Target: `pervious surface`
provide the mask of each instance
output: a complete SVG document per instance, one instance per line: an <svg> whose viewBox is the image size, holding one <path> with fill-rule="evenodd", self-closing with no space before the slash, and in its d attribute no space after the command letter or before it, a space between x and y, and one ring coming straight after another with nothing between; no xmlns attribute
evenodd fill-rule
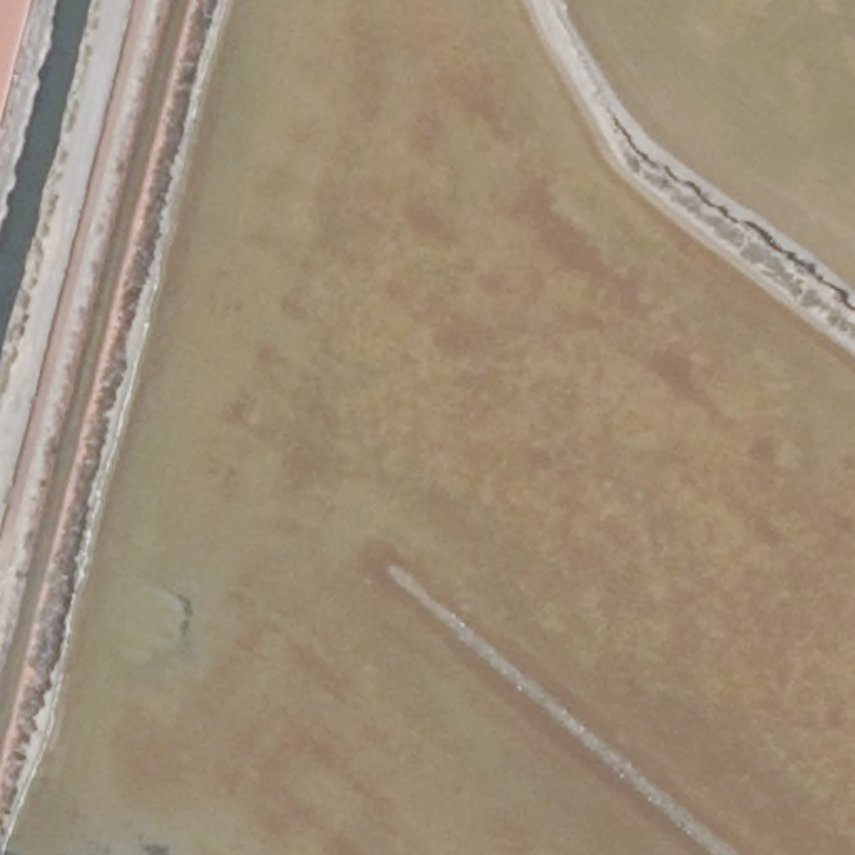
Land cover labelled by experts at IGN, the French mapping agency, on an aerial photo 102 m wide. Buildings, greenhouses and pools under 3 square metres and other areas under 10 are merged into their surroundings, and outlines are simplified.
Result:
<svg viewBox="0 0 855 855"><path fill-rule="evenodd" d="M404 568L387 568L391 578L411 598L417 598L434 618L441 618L468 648L474 648L491 668L498 668L518 691L538 701L558 725L564 725L625 782L631 782L678 828L685 828L685 835L705 855L728 855L731 848L715 832L698 825L691 812L685 812L655 782L648 782L625 755L608 748L554 695L531 681L481 635L474 635L468 621L444 608L414 574L407 574Z"/></svg>
<svg viewBox="0 0 855 855"><path fill-rule="evenodd" d="M13 47L3 67L7 77L0 83L0 227L17 180L17 160L23 154L33 97L40 87L40 67L50 50L57 0L23 0L30 7L30 17L17 17Z"/></svg>
<svg viewBox="0 0 855 855"><path fill-rule="evenodd" d="M554 53L568 83L574 87L615 170L648 200L655 200L671 220L678 220L691 237L718 250L731 267L748 274L758 287L765 287L798 317L812 321L822 334L828 334L835 344L855 354L855 287L845 277L838 277L825 261L818 261L818 254L812 254L805 244L788 237L775 220L741 207L735 197L718 190L705 174L685 167L658 140L651 140L645 127L628 114L628 107L618 100L598 63L591 60L588 47L574 33L564 0L528 0L548 50Z"/></svg>
<svg viewBox="0 0 855 855"><path fill-rule="evenodd" d="M0 658L17 621L17 605L23 591L20 571L27 568L27 534L33 528L40 504L47 448L57 434L57 417L63 411L67 374L77 354L83 311L94 291L94 271L107 240L110 210L120 184L117 167L127 157L134 137L140 83L150 63L164 0L90 0L87 30L77 50L77 70L60 124L57 157L40 194L37 237L27 254L23 281L7 321L7 341L0 354Z"/></svg>

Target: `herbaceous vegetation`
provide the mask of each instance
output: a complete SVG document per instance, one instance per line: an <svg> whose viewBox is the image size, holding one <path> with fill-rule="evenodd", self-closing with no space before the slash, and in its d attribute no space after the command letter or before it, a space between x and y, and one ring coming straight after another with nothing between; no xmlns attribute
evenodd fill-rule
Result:
<svg viewBox="0 0 855 855"><path fill-rule="evenodd" d="M0 745L0 855L3 855L27 808L40 755L53 735L63 675L73 651L73 628L83 605L83 584L90 574L94 541L100 528L104 494L134 401L140 354L150 331L150 311L160 291L164 261L174 237L174 217L197 134L200 100L230 13L230 0L187 0L124 261L110 297L110 317L97 354L94 384L77 434L77 451L70 461L57 528L50 538L33 605L10 721Z"/></svg>

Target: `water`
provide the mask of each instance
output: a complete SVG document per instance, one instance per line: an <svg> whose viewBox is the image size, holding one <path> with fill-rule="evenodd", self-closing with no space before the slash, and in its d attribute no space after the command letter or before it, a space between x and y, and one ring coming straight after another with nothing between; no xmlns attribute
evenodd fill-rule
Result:
<svg viewBox="0 0 855 855"><path fill-rule="evenodd" d="M90 574L83 584L83 605L73 628L73 651L63 675L53 735L40 755L27 808L3 855L705 855L685 835L685 828L678 828L631 782L625 782L564 725L558 725L538 701L518 691L498 668L491 668L474 648L468 648L441 618L434 618L417 598L411 598L391 578L387 568L404 568L407 574L414 574L444 608L468 621L474 635L481 635L531 681L554 695L608 748L625 755L648 782L655 782L685 812L691 812L698 825L715 832L731 848L728 855L855 855L855 354L835 344L828 334L822 334L812 321L798 317L765 287L758 287L748 274L731 267L718 250L691 237L678 220L671 220L655 200L648 200L615 170L574 87L568 83L554 53L548 50L528 0L230 0L230 13L200 100L197 134L174 217L174 237L164 261L160 291L150 311L150 331L140 354L134 401L104 494L100 528L94 541Z"/></svg>
<svg viewBox="0 0 855 855"><path fill-rule="evenodd" d="M812 254L818 254L818 261L825 261L838 277L845 277L855 287L855 0L564 0L574 33L588 47L591 60L598 63L618 100L628 107L628 114L645 127L651 140L658 140L685 167L705 174L718 190L735 197L741 207L775 220L788 237L805 244Z"/></svg>
<svg viewBox="0 0 855 855"><path fill-rule="evenodd" d="M17 160L17 180L0 227L0 354L7 341L7 321L23 281L27 254L37 237L40 194L57 157L60 124L77 70L77 50L87 30L90 0L57 0L50 50L40 67L40 87L33 97L23 154Z"/></svg>
<svg viewBox="0 0 855 855"><path fill-rule="evenodd" d="M30 7L23 0L0 0L0 83L7 77L3 67L13 47L17 17L30 17Z"/></svg>
<svg viewBox="0 0 855 855"><path fill-rule="evenodd" d="M57 434L47 448L40 504L33 528L27 534L27 568L20 571L23 591L17 605L17 621L0 658L0 745L10 721L33 605L50 538L57 528L70 461L77 451L77 434L94 384L97 354L110 317L110 297L124 261L187 0L164 0L150 63L140 83L134 137L127 157L117 167L120 184L110 210L107 240L94 271L94 291L83 311L77 354L67 374L63 411L57 417Z"/></svg>

